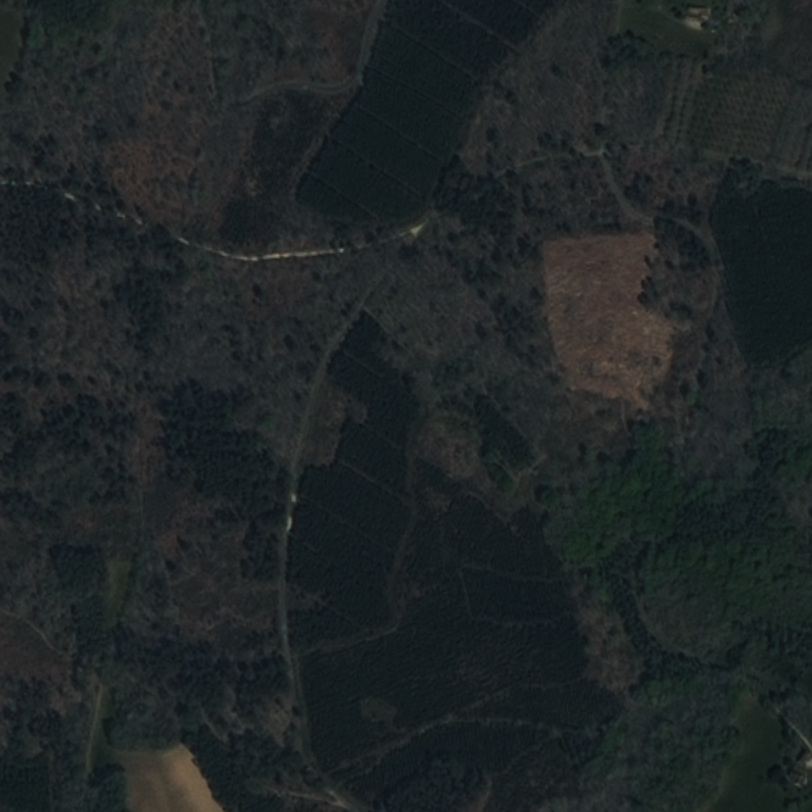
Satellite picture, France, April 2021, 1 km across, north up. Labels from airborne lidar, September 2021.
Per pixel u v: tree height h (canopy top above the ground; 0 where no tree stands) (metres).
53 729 22
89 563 27
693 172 11
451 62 13
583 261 0
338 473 12
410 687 7
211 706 26
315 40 18
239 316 7
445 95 15
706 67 8
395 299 16
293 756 21
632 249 0
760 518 22
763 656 9
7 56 0
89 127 18
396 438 16
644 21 0
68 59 16
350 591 15
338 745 8
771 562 12
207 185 12
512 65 6
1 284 17
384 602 15
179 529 7
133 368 10
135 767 0
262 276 6
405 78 17
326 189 17
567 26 7
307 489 16
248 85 12
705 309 16
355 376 14
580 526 25
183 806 0
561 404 6
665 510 23
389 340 8
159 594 19
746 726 0
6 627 6
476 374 18
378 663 7
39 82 20
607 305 0
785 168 12
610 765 22
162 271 12
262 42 15
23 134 13
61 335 9
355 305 11
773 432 11
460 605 8
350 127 15
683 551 24
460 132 10
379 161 15
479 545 6
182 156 16
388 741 8
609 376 0
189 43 9
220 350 14
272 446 16
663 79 11
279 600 0
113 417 8
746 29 14
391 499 14
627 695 17
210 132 10
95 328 8
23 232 22
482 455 7
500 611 8
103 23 24
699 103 10
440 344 12
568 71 6
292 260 5
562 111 11
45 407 11
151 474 10
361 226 13
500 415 15
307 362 11
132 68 9
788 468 17
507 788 6
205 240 8
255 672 10
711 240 10
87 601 17
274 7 16
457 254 11
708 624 10
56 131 16
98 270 15
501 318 25
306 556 16
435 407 12
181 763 0
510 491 30
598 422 8
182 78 8
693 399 18
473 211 22
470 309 11
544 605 7
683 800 18
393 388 14
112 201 20
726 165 9
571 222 11
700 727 21
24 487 19
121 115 13
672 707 21
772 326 15
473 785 22
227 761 20
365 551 14
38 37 20
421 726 7
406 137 13
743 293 14
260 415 14
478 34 11
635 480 27
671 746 18
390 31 12
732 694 26
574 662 7
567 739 9
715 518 23
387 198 15
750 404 11
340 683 8
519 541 8
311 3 12
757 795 0
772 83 11
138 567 15
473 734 6
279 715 16
